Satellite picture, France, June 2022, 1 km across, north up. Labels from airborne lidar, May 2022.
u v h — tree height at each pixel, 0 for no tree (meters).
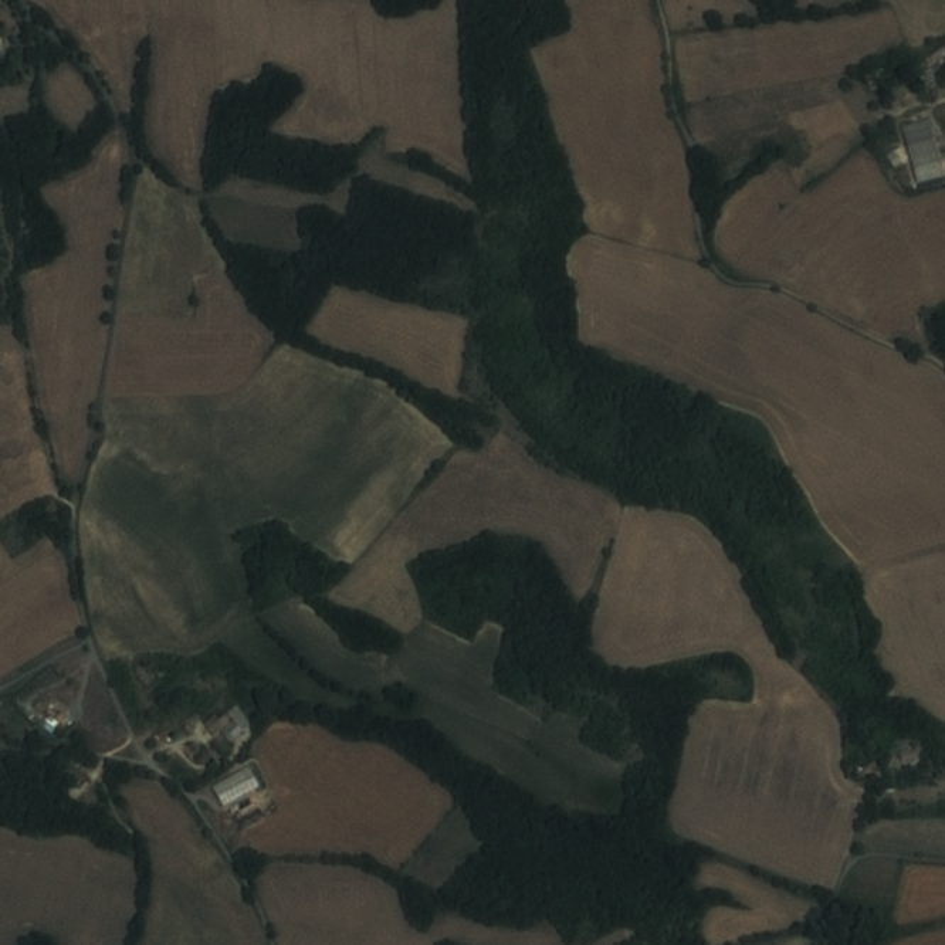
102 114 15
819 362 0
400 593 0
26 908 0
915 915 0
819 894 14
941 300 0
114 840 7
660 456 15
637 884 17
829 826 0
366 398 0
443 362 0
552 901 16
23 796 17
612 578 0
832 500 0
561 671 15
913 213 0
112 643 0
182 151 0
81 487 8
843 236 0
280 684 7
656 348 0
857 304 0
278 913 0
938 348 12
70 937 0
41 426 10
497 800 17
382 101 0
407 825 0
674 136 0
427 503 0
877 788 13
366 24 0
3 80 9
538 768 0
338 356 13
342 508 0
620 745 8
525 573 10
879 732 14
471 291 8
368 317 0
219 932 0
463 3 15
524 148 12
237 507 0
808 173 0
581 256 0
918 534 0
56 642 0
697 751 0
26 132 14
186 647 0
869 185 0
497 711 0
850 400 0
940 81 15
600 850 22
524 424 10
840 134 0
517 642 15
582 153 0
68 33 11
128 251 0
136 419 0
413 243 11
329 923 0
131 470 0
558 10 17
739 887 0
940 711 0
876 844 0
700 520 6
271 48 0
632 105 0
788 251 0
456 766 6
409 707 11
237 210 0
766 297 0
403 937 0
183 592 0
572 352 15
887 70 6
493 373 10
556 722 0
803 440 0
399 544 0
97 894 0
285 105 13
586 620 11
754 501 7
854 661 14
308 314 14
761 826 0
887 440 0
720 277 0
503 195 8
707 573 0
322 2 0
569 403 7
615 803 0
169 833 0
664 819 7
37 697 0
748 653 0
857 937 20
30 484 0
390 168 0
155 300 0
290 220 0
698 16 0
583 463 12
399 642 10
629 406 18
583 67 0
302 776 0
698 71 0
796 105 0
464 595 8
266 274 14
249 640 0
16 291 10
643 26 0
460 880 10
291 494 0
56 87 0
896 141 0
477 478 0
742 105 0
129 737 0
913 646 0
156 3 0
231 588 0
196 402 0
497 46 12
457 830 0
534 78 7
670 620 0
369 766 0
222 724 0
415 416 0
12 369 0
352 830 0
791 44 0
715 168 17
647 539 0
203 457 0
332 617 10
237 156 9
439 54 0
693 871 11
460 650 0
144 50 13
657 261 0
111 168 0
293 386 0
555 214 16
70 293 0
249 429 0
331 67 0
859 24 0
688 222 0
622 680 15
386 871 12
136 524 0
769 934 10
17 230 10
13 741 9
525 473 0
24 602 0
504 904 12
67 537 9
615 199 0
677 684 15
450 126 0
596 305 0
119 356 0
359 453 0
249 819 0
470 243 10
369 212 14
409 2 14
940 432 0
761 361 0
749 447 12
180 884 0
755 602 13
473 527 0
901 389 0
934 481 0
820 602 9
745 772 0
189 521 0
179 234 0
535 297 12
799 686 0
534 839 21
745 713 0
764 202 0
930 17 0
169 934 0
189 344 0
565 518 0
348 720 11
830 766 0
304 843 0
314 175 17
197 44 0
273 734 0
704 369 0
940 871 0
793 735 0
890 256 0
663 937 8
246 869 18
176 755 0
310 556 18
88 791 0
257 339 0
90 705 0
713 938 0
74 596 9
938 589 0
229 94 11
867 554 0
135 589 0
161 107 0
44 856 0
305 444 0
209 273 0
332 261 12
